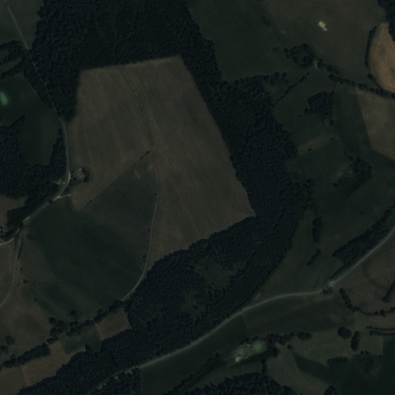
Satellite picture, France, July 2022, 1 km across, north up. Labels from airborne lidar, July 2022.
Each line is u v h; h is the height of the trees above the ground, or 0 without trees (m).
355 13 0
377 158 0
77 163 0
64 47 31
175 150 0
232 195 0
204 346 0
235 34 0
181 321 17
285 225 22
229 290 15
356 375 0
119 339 25
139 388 28
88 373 23
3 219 0
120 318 0
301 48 9
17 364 17
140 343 26
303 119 0
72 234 0
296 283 0
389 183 0
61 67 27
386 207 0
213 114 9
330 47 0
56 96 31
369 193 0
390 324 0
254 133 7
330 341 0
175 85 0
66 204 0
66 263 0
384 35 0
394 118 0
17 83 0
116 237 0
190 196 0
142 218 0
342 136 0
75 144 0
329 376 0
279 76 18
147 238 0
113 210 0
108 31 9
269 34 0
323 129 0
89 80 0
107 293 0
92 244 0
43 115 0
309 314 0
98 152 0
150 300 26
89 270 0
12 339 20
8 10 0
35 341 0
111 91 0
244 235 23
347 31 0
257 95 22
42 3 0
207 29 0
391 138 0
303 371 0
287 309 0
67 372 31
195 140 0
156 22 12
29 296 0
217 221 0
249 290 26
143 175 0
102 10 6
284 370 0
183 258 21
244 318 0
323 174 0
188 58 15
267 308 0
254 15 0
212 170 0
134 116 0
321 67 19
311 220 0
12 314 0
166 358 0
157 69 0
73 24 25
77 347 0
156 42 10
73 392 21
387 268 0
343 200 0
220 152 0
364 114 0
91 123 0
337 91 0
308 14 0
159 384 0
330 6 0
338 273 10
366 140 0
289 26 0
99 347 0
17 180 26
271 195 24
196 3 0
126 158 0
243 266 19
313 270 0
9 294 0
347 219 0
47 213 0
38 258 0
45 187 20
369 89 7
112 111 0
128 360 18
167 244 0
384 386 0
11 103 0
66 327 19
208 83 11
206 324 20
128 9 10
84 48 13
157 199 0
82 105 0
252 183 20
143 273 0
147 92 0
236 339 0
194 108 0
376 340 0
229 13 0
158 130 0
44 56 29
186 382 13
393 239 0
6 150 26
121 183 0
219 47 0
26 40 0
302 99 0
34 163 0
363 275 0
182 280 23
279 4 0
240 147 17
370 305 0
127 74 0
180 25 9
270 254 25
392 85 0
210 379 0
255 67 0
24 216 15
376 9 0
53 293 0
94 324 16
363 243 22
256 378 21
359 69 0
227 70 0
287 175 30
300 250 0
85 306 0
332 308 0
